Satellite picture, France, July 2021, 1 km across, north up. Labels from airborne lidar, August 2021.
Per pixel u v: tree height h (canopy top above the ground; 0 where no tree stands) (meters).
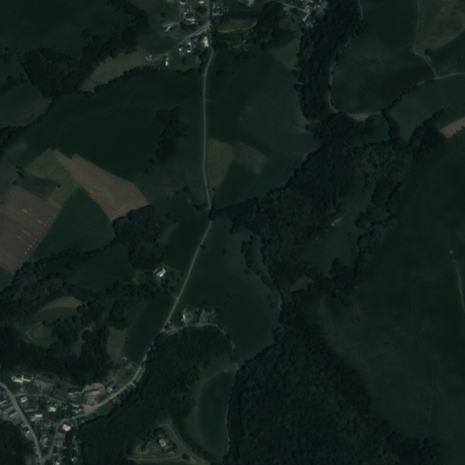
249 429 27
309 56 20
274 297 13
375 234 23
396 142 20
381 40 0
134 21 8
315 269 20
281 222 23
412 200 0
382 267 0
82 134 0
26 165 0
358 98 0
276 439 22
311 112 27
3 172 0
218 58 0
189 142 0
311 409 23
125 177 0
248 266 10
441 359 0
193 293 0
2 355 22
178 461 0
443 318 0
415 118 0
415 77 0
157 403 22
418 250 0
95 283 0
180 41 0
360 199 0
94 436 19
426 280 0
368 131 17
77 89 25
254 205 12
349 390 14
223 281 0
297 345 23
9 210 0
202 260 0
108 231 0
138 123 0
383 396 0
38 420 0
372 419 15
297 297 27
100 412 0
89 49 14
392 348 0
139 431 20
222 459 0
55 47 0
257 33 16
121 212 0
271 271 15
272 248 24
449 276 0
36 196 0
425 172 0
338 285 24
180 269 0
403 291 0
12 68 0
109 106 0
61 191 0
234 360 7
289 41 0
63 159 0
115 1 20
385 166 25
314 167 26
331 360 20
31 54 15
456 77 0
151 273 7
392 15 0
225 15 7
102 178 0
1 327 21
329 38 25
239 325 0
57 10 0
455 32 0
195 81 0
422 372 0
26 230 0
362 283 16
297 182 24
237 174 0
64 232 0
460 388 0
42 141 0
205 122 0
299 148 0
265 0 0
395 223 14
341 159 22
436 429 0
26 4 0
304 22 8
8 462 20
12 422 8
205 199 0
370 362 0
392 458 21
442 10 0
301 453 24
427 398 0
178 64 0
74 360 22
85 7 0
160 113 13
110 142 0
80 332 12
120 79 11
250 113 0
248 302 0
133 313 0
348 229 0
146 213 20
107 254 0
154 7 0
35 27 0
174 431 0
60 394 0
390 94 0
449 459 0
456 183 0
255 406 22
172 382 21
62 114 0
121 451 16
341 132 28
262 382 28
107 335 27
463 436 0
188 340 8
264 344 0
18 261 0
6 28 0
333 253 0
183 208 0
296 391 27
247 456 31
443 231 0
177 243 0
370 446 15
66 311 0
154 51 0
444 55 0
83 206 0
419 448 20
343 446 25
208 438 0
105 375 21
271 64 0
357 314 0
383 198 24
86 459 19
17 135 29
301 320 17
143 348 0
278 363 25
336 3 20
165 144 20
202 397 0
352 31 22
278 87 0
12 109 0
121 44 24
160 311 0
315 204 24
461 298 0
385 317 0
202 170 0
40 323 0
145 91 0
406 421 0
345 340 0
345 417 28
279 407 20
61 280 16
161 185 0
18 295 29
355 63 0
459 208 0
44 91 23
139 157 0
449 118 0
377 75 0
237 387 10
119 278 0
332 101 10
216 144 0
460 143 0
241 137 0
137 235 20
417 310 0
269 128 0
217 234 0
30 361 19
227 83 0
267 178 0
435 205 0
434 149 13
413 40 0
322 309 0
